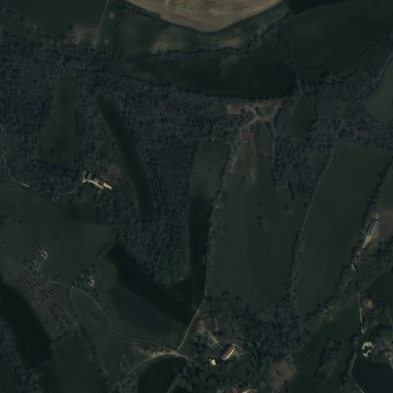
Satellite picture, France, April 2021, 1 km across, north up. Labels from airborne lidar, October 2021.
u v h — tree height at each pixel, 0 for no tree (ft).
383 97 0
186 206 40
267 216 0
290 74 0
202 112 42
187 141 42
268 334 73
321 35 0
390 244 35
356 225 0
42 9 0
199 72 0
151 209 0
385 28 0
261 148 123
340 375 0
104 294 0
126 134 0
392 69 0
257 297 0
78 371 0
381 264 72
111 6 0
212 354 21
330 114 0
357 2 0
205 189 0
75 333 24
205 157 0
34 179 73
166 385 0
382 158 0
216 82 0
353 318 0
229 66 65
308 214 0
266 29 0
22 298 0
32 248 0
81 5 0
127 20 0
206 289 27
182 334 0
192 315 0
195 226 0
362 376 0
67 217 0
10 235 0
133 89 31
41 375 0
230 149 58
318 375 24
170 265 65
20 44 45
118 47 0
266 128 112
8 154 42
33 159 37
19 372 50
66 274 0
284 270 0
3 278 21
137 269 0
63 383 0
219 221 55
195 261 0
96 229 0
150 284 0
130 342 0
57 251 0
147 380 0
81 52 63
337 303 61
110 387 32
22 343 0
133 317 0
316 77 0
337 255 0
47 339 0
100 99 0
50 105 55
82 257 0
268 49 0
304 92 45
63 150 0
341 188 0
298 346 85
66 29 0
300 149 58
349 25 0
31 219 0
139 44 0
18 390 0
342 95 47
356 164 0
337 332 0
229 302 29
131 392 44
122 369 0
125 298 0
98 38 0
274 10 0
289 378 0
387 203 0
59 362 0
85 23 0
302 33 0
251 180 0
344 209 0
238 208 0
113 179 0
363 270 60
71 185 58
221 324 0
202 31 0
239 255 0
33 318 0
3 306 0
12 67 31
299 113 0
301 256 0
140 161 0
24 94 36
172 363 0
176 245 67
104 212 19
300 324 70
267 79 0
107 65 0
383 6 0
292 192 49
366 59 0
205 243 28
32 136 47
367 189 0
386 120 0
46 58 54
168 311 0
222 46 0
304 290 0
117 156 0
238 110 0
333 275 0
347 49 0
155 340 0
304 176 79
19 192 0
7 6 0
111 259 0
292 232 0
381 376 0
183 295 0
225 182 45
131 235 50
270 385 0
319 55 0
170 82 0
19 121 37
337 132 37
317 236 0
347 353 0
